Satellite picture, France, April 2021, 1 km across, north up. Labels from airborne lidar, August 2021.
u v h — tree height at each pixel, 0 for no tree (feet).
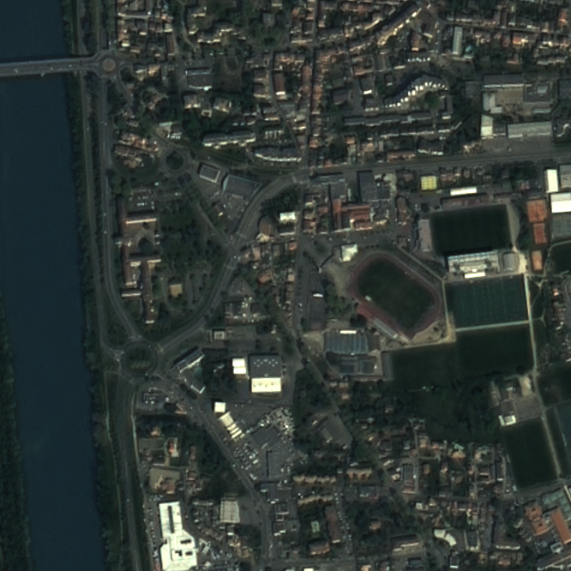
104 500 83
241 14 64
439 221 0
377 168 0
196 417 0
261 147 34
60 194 0
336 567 0
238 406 0
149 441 0
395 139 38
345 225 0
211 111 0
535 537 0
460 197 0
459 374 0
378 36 0
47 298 0
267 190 0
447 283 0
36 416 0
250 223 0
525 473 0
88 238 24
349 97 0
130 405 0
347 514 19
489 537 0
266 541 0
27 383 0
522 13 27
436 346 0
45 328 0
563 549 0
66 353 0
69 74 27
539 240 0
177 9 28
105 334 0
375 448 76
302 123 0
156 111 22
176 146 0
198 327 0
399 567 0
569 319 0
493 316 0
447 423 0
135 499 0
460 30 0
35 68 0
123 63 0
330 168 0
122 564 45
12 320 0
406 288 0
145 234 0
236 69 0
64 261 0
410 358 0
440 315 0
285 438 0
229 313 0
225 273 0
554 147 0
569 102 41
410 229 0
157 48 0
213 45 36
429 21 0
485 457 45
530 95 0
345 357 0
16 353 0
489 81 0
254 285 67
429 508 0
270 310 70
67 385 0
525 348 0
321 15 0
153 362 0
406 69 0
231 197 0
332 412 0
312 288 0
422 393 0
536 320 0
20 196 0
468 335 0
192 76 0
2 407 74
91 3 83
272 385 0
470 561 29
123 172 0
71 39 32
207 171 0
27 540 63
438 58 0
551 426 0
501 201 0
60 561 0
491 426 78
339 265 0
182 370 0
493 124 0
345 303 52
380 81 42
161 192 23
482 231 0
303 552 29
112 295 0
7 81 0
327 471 23
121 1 0
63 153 0
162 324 37
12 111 0
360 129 27
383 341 0
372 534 23
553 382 0
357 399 23
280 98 0
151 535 0
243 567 30
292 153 0
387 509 89
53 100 0
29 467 0
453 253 0
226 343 26
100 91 47
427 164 0
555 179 0
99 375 36
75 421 0
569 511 0
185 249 0
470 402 0
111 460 0
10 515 87
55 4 0
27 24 0
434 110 0
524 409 0
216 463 31
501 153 0
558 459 0
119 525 0
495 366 0
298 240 0
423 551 0
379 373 0
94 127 58
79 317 0
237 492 0
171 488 0
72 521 0
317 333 0
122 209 0
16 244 0
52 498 0
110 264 0
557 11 19
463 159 0
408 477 0
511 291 0
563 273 0
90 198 0
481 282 0
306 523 20
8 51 0
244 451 0
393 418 29
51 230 0
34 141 0
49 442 0
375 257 0
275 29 71
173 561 0
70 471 0
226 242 0
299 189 0
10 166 0
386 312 0
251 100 45
